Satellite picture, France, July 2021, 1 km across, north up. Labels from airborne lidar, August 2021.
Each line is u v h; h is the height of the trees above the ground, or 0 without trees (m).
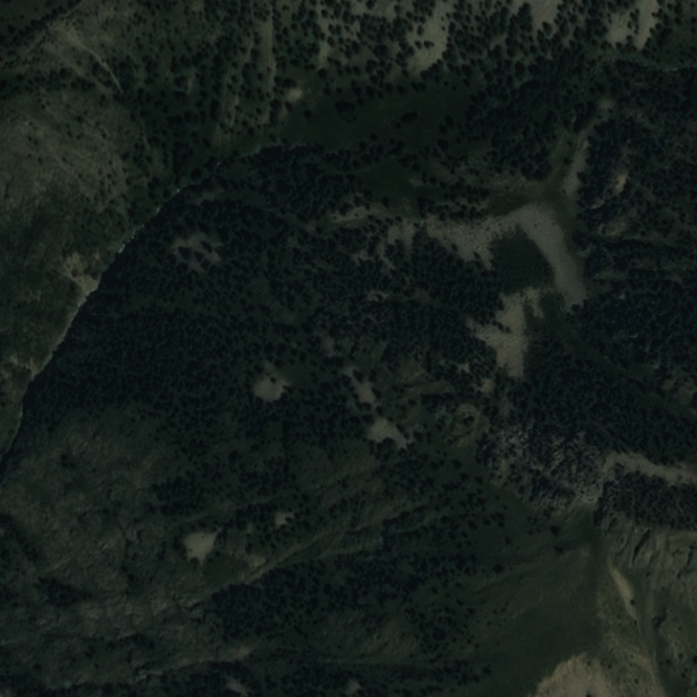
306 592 16
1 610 8
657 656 0
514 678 0
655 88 13
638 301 15
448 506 7
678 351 9
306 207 20
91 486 0
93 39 0
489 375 11
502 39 0
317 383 12
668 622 0
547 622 0
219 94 21
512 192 0
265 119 0
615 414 11
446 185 15
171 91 0
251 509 9
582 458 8
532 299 0
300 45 12
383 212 0
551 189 0
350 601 13
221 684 20
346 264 14
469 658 0
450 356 14
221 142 0
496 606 0
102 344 9
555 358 8
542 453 6
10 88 11
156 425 0
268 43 0
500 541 0
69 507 0
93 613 0
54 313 6
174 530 0
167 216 17
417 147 0
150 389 20
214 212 28
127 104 23
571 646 0
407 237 0
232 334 17
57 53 0
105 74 13
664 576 0
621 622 0
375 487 0
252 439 14
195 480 15
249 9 14
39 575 0
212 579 0
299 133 0
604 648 0
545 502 0
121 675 0
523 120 22
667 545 0
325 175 8
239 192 21
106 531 0
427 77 19
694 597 0
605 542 0
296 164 25
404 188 0
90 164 0
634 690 0
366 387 0
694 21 11
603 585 0
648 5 0
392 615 0
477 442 0
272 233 0
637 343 17
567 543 0
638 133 14
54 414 6
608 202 11
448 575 10
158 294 14
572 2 10
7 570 7
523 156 25
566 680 0
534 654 0
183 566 0
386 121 0
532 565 0
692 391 0
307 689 10
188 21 10
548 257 0
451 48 19
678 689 0
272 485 12
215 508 0
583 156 0
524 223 0
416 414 0
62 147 0
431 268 11
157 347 17
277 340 0
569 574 0
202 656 0
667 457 12
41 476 0
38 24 11
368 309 14
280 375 0
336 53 0
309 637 12
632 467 0
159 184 21
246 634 14
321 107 0
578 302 0
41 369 8
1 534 0
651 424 15
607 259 8
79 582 0
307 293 13
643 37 0
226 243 19
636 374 0
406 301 0
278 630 12
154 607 0
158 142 23
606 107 0
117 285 9
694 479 0
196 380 16
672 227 11
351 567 9
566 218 0
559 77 24
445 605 0
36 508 0
